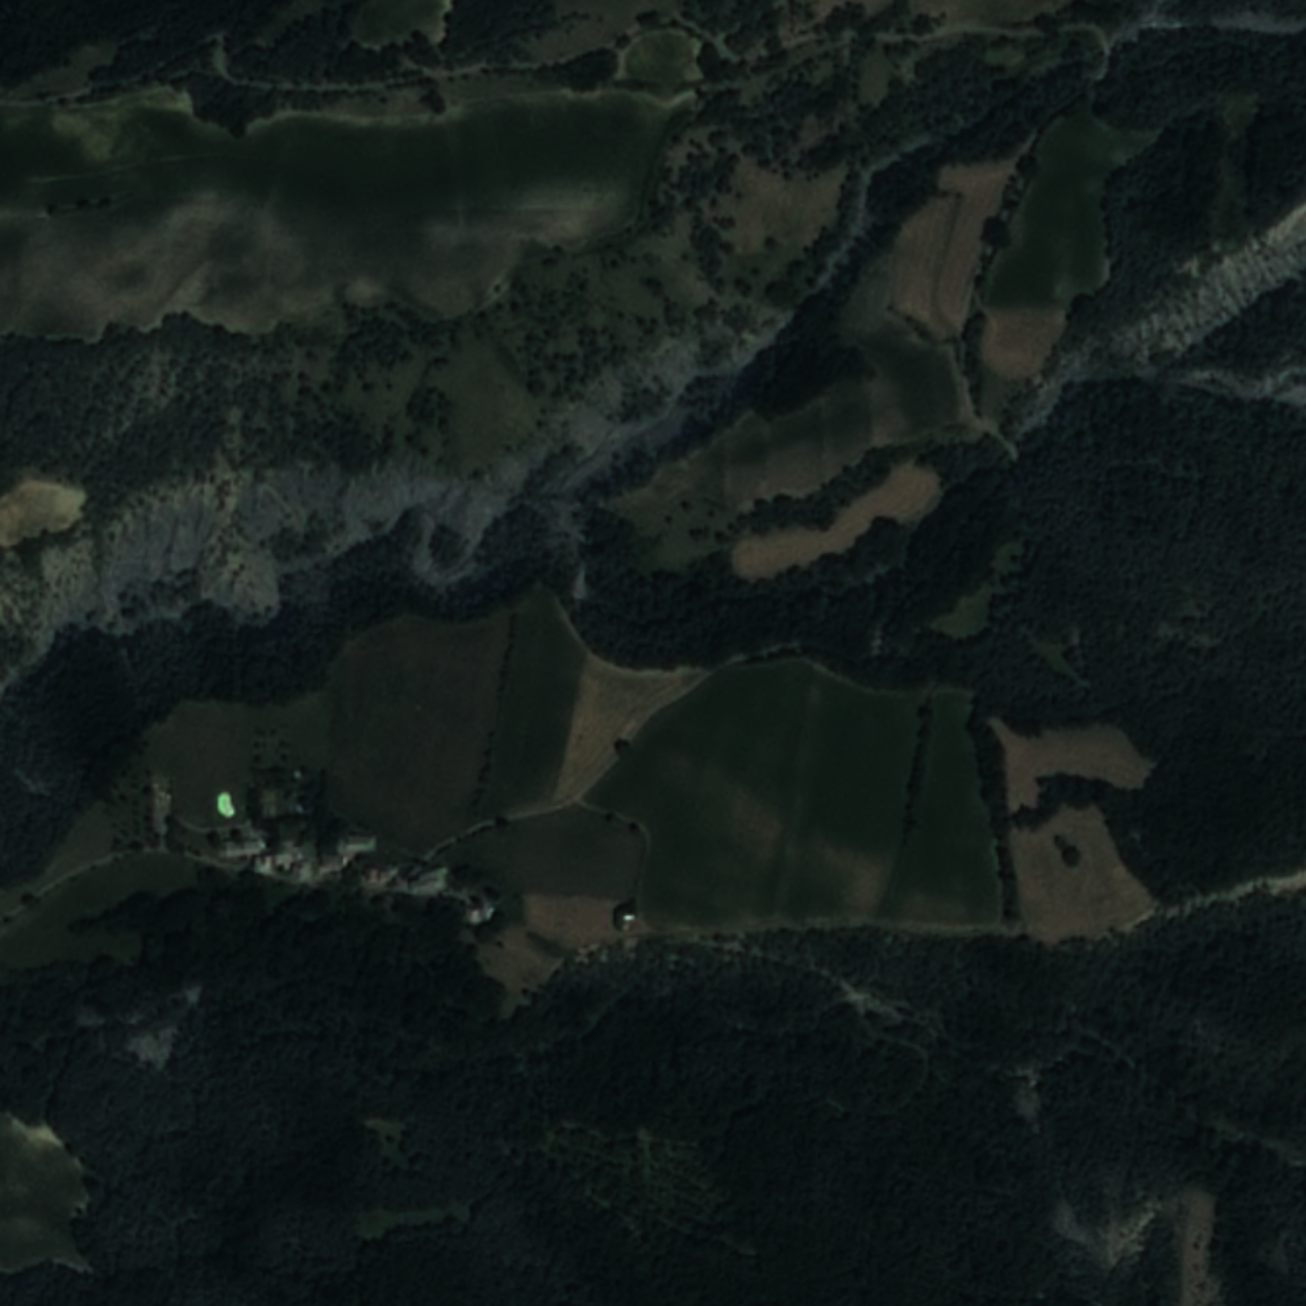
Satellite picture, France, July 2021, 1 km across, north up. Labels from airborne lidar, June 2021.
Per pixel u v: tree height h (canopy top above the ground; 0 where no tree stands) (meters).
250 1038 7
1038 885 0
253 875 12
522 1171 10
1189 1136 7
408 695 0
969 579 19
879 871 0
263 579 0
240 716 0
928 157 11
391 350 6
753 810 0
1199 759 14
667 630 14
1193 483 14
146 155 0
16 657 10
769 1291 13
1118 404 14
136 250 0
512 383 0
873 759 0
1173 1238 8
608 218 0
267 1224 18
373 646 0
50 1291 14
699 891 0
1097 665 12
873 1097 12
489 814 0
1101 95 15
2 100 0
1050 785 11
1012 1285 17
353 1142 14
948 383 0
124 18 11
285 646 18
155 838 6
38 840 15
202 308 0
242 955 27
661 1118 10
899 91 12
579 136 0
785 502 12
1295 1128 12
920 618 13
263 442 6
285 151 0
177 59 6
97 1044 10
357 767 0
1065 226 0
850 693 0
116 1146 18
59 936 0
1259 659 13
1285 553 7
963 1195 12
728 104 7
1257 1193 11
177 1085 11
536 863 0
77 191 0
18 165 0
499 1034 16
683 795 0
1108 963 13
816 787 0
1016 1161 17
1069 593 11
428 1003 24
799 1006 16
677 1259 10
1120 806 10
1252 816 11
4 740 8
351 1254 17
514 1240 17
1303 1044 12
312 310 0
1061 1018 17
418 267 0
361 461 10
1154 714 14
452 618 8
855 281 12
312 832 8
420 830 0
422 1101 16
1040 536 8
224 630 13
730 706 0
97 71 11
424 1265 20
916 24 6
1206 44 12
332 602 6
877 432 0
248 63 9
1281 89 10
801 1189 16
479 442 0
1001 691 13
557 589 8
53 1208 0
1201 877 8
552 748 0
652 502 0
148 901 16
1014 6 0
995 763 14
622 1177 11
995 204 0
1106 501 13
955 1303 25
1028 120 15
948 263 0
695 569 7
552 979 9
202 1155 17
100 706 14
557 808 0
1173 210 16
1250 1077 6
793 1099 14
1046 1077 11
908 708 0
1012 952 14
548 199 0
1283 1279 9
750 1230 13
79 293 0
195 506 0
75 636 8
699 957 9
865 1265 14
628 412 11
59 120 0
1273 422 13
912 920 0
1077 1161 9
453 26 12
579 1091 12
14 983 8
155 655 7
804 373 22
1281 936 16
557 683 0
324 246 0
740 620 24
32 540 8
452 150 0
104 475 8
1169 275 6
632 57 0
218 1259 25
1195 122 19
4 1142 0
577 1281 11
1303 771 11
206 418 7
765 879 0
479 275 0
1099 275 0
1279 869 6
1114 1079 15
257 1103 12
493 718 0
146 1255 16
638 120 0
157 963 23
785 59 13
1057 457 14
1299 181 12
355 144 0
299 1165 21
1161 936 11
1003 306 0
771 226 0
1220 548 7
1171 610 7
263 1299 13
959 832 0
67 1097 13
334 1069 21
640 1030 15
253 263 0
